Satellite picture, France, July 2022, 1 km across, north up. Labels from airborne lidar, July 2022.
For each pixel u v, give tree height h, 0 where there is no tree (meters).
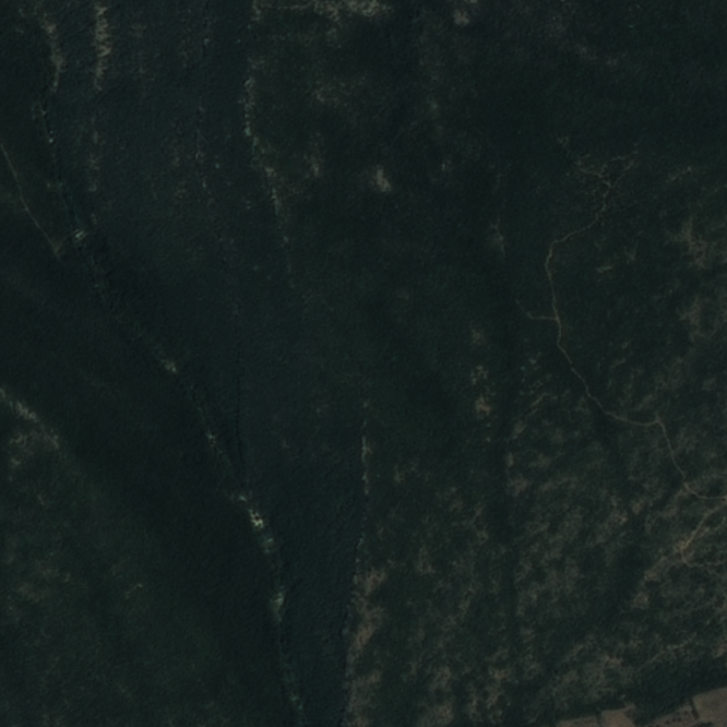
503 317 6
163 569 8
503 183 6
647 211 5
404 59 8
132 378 8
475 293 6
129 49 6
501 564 6
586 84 7
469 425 6
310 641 6
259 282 6
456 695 6
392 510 6
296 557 10
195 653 9
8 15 6
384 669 6
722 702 0
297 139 6
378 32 11
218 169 7
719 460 6
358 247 7
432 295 6
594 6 8
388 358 7
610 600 7
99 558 6
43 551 5
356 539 7
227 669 9
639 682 7
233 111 7
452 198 5
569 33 7
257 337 6
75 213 6
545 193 6
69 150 7
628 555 7
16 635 8
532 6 7
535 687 7
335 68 5
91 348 7
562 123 6
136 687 7
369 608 6
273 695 9
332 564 7
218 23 6
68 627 6
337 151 6
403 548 5
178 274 7
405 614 6
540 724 7
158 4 6
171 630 7
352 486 6
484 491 6
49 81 7
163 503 9
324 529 5
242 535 11
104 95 7
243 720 10
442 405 9
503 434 8
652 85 9
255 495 7
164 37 6
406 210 9
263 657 15
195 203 6
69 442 7
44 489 5
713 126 11
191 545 9
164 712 6
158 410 10
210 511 11
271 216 7
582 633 6
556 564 5
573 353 5
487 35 6
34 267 8
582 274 6
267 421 6
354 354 6
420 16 17
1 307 8
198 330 9
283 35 7
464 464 6
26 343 11
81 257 12
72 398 10
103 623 7
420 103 8
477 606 5
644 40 6
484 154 6
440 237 7
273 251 7
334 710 8
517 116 6
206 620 11
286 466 6
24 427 6
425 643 6
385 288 6
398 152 6
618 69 7
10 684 9
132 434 9
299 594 9
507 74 7
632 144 7
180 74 7
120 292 8
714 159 8
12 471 6
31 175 7
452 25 5
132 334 10
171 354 11
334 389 7
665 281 6
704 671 6
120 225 6
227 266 6
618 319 6
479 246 6
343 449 6
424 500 6
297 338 5
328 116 6
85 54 6
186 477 10
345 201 5
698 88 8
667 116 10
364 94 6
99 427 9
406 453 7
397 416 6
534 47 6
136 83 6
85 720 5
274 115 7
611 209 7
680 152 6
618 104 8
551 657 5
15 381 7
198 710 6
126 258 8
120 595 6
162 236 6
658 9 6
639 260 6
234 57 7
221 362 6
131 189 6
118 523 6
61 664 5
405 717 8
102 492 7
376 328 7
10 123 8
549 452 6
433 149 7
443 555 6
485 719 6
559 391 5
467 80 8
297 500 7
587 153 7
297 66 6
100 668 6
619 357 5
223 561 14
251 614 7
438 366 6
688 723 0
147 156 6
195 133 11
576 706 9
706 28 7
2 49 11
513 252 5
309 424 6
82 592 7
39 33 11
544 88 6
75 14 6
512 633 6
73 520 6
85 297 12
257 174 6
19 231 8
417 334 6
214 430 8
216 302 6
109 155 6
